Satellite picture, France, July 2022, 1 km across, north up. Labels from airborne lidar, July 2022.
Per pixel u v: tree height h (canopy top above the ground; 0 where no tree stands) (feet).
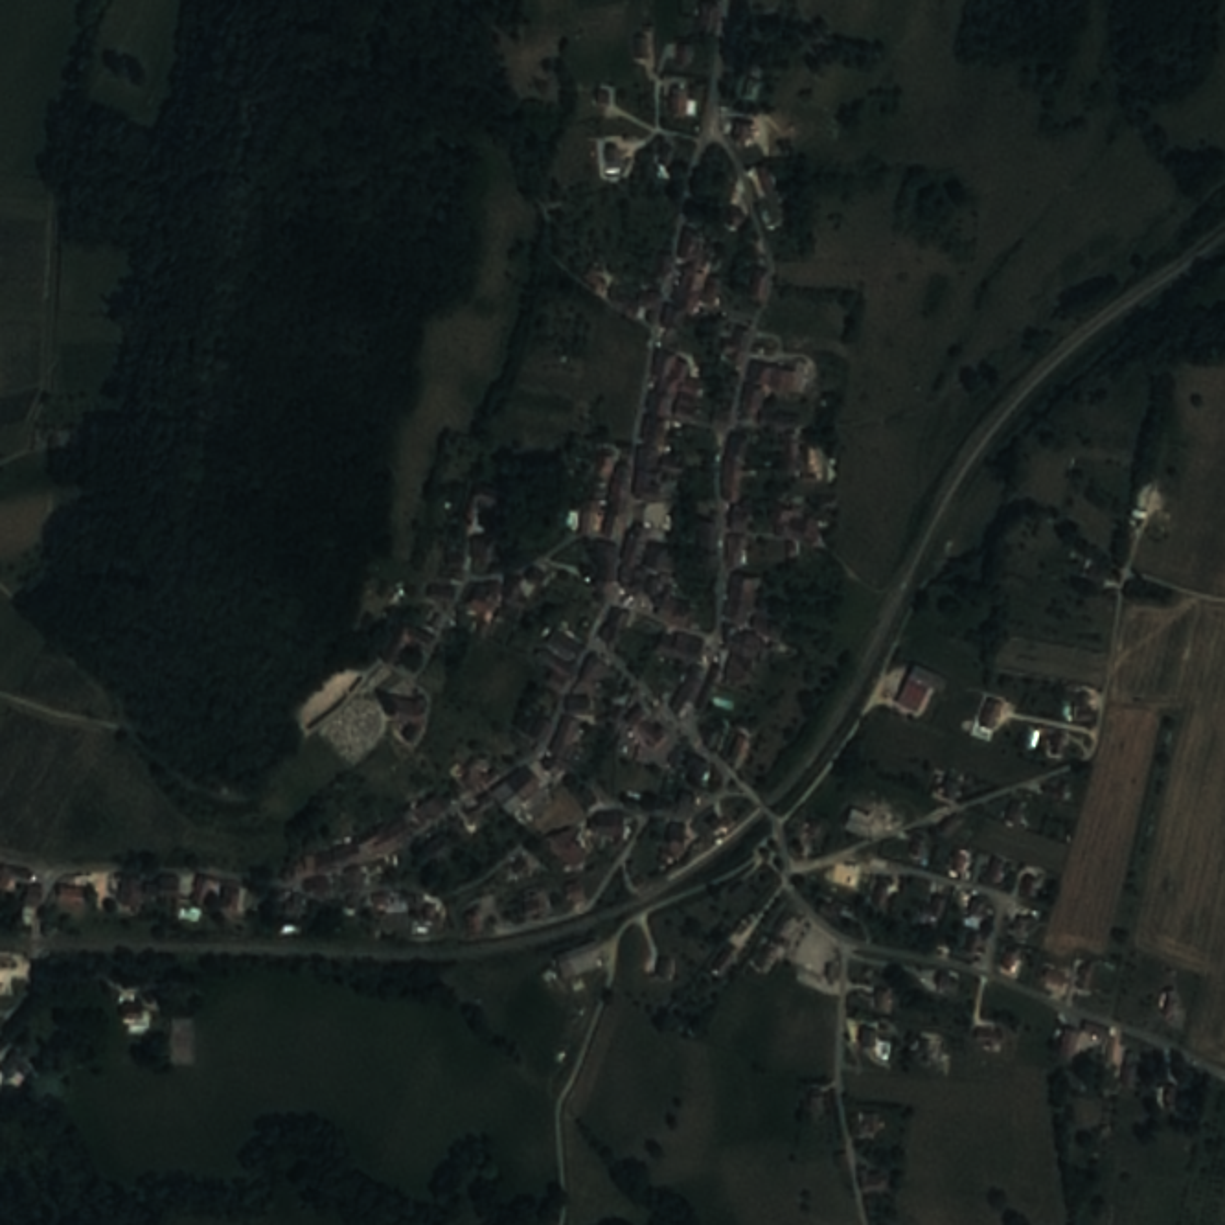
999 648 32
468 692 0
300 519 76
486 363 0
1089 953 0
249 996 0
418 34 107
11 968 0
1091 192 0
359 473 85
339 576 68
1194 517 0
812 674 20
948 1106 0
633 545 0
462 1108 0
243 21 66
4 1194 94
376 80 112
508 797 0
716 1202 0
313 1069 0
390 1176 0
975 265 0
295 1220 0
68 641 85
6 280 0
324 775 0
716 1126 0
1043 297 0
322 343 79
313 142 95
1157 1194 0
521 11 37
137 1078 0
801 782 0
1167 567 0
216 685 42
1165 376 47
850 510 0
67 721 0
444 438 26
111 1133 0
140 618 76
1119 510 18
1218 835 0
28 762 0
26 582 19
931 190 48
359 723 0
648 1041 0
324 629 82
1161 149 49
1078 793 0
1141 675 0
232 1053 0
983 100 0
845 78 0
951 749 0
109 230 63
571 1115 0
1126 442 0
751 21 62
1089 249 0
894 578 0
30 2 0
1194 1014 0
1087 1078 48
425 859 42
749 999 0
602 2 0
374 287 92
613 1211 0
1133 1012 0
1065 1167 44
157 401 72
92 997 66
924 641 0
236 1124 0
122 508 76
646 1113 0
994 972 0
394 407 74
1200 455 0
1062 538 49
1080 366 0
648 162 30
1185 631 0
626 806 35
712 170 29
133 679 75
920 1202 0
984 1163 0
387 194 98
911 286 0
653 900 0
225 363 54
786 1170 0
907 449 0
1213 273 65
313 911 19
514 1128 0
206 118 85
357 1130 0
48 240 0
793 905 0
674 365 0
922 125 0
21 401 0
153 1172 0
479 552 0
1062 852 0
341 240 80
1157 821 0
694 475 22
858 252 0
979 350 0
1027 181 0
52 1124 76
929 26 0
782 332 0
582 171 0
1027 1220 29
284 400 72
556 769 0
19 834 0
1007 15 51
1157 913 0
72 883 0
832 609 29
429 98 116
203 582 78
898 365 0
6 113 0
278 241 80
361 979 25
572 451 25
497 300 0
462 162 71
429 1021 0
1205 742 0
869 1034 0
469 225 51
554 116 31
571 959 0
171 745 62
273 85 71
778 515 0
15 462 0
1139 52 68
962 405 0
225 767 57
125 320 62
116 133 88
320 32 110
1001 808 0
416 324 57
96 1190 102
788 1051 0
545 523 38
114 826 0
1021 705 0
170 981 59
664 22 0
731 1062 0
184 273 77
